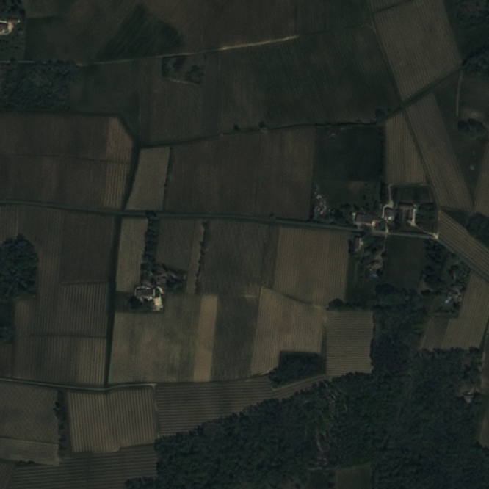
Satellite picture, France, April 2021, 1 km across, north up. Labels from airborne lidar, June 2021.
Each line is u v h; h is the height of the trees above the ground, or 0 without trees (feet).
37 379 0
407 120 0
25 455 0
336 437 71
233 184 0
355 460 63
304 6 0
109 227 0
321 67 0
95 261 0
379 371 70
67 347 0
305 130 0
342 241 0
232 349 0
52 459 0
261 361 0
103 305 0
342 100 0
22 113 0
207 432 59
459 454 66
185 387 0
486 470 71
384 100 0
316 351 0
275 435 60
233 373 0
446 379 73
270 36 0
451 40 0
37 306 0
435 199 0
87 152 0
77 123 0
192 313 0
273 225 0
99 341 0
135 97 0
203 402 0
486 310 0
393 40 0
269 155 0
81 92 0
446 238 0
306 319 0
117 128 0
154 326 0
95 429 0
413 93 0
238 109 0
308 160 0
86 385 0
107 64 0
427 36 0
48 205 0
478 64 55
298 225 0
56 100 44
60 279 0
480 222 60
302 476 70
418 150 0
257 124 0
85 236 0
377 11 0
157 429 0
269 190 0
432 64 0
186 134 0
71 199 0
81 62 0
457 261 29
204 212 0
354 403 64
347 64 0
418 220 20
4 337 79
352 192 0
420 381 62
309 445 71
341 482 0
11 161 0
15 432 0
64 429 35
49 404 0
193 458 68
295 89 0
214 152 0
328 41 0
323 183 0
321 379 0
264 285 0
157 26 0
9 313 36
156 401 0
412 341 67
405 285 0
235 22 0
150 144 0
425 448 35
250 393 0
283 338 0
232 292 0
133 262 0
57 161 0
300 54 0
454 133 0
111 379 0
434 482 61
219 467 77
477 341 0
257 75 0
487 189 0
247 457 68
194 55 0
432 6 0
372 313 0
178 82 0
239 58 0
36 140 0
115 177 0
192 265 0
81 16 0
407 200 0
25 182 0
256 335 0
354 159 0
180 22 0
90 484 0
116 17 0
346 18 0
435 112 0
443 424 59
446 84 0
